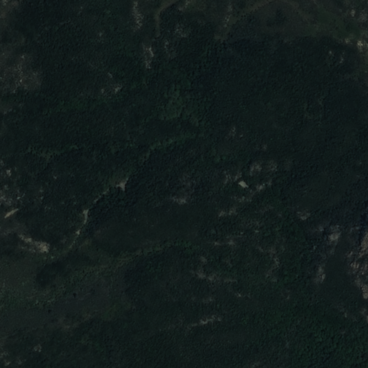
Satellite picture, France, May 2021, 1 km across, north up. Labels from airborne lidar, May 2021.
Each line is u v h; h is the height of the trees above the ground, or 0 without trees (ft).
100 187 34
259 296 17
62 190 29
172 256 28
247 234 35
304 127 23
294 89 39
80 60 27
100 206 46
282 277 56
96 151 49
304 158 35
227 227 50
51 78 38
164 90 30
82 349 28
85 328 36
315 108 39
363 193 23
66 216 31
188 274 24
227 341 26
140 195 30
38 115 35
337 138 27
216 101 36
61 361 19
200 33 51
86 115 28
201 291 27
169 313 35
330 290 31
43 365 31
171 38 22
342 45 19
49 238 23
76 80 40
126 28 30
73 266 23
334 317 61
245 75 27
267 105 27
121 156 35
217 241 33
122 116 30
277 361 32
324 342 48
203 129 56
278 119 22
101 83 31
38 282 22
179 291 26
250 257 26
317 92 30
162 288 23
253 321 34
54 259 19
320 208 21
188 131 43
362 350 37
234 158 48
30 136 34
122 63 55
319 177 22
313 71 30
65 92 39
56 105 48
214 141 56
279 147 30
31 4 49
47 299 18
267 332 36
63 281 27
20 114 40
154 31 46
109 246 28
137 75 31
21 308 19
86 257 31
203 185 34
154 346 44
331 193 19
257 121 31
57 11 28
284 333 34
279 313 63
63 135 31
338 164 21
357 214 26
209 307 28
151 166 24
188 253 42
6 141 31
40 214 25
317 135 21
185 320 26
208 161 43
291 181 27
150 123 31
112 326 28
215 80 24
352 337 33
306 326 46
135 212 18
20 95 47
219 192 30
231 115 31
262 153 31
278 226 37
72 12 22
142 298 20
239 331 22
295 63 34
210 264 27
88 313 19
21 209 22
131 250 28
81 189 24
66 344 37
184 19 20
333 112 23
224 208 25
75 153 43
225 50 19
